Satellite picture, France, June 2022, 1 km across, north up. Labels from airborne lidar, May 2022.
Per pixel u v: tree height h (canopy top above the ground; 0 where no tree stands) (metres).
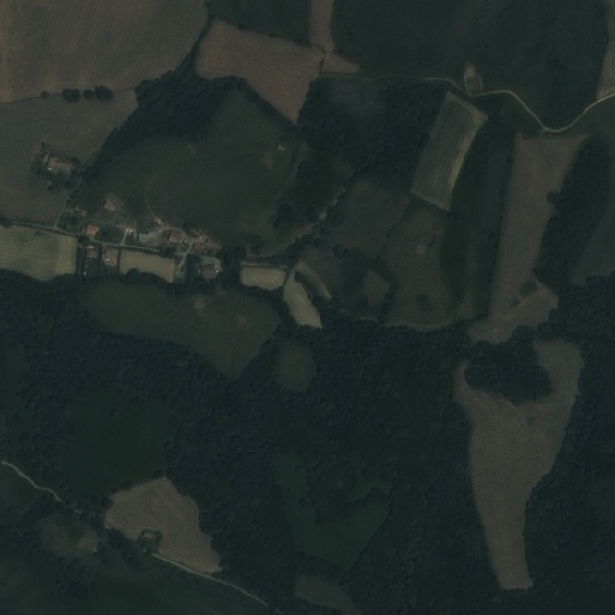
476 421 0
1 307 8
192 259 16
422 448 15
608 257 0
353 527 0
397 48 0
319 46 0
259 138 0
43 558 10
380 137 11
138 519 0
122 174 0
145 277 17
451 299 0
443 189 0
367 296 0
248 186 0
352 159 22
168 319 0
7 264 0
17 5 0
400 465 13
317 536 0
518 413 0
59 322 18
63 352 28
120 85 0
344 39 0
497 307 0
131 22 0
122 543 19
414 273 0
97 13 0
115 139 18
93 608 0
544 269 10
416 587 19
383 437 14
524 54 0
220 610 0
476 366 24
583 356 11
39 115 0
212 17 5
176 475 25
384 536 15
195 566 0
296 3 0
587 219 7
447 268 0
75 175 11
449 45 0
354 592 17
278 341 9
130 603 0
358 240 0
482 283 0
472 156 7
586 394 18
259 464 17
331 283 0
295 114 0
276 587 17
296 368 0
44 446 14
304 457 8
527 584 0
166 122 20
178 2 0
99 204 0
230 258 14
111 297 0
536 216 0
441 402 21
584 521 18
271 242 0
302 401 19
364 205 0
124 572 0
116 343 28
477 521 9
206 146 0
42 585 0
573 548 19
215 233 0
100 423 0
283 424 21
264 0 0
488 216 0
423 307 0
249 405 26
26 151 0
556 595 15
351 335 10
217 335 0
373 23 0
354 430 17
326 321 19
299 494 0
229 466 30
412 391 20
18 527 12
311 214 15
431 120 8
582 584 10
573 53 0
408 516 17
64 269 0
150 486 0
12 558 0
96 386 14
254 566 18
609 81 0
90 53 0
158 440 0
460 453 15
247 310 0
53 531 0
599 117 0
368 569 19
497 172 0
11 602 0
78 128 0
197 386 21
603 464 12
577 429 14
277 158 0
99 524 17
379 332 7
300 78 0
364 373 26
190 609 0
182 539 0
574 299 13
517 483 0
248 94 9
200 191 0
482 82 0
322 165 0
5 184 0
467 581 20
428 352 25
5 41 0
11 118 0
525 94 0
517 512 0
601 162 12
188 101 22
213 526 21
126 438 0
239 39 0
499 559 0
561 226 10
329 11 0
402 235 0
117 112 0
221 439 25
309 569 13
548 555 23
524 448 0
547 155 0
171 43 0
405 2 0
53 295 8
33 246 0
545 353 0
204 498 16
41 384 24
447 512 16
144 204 0
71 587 12
